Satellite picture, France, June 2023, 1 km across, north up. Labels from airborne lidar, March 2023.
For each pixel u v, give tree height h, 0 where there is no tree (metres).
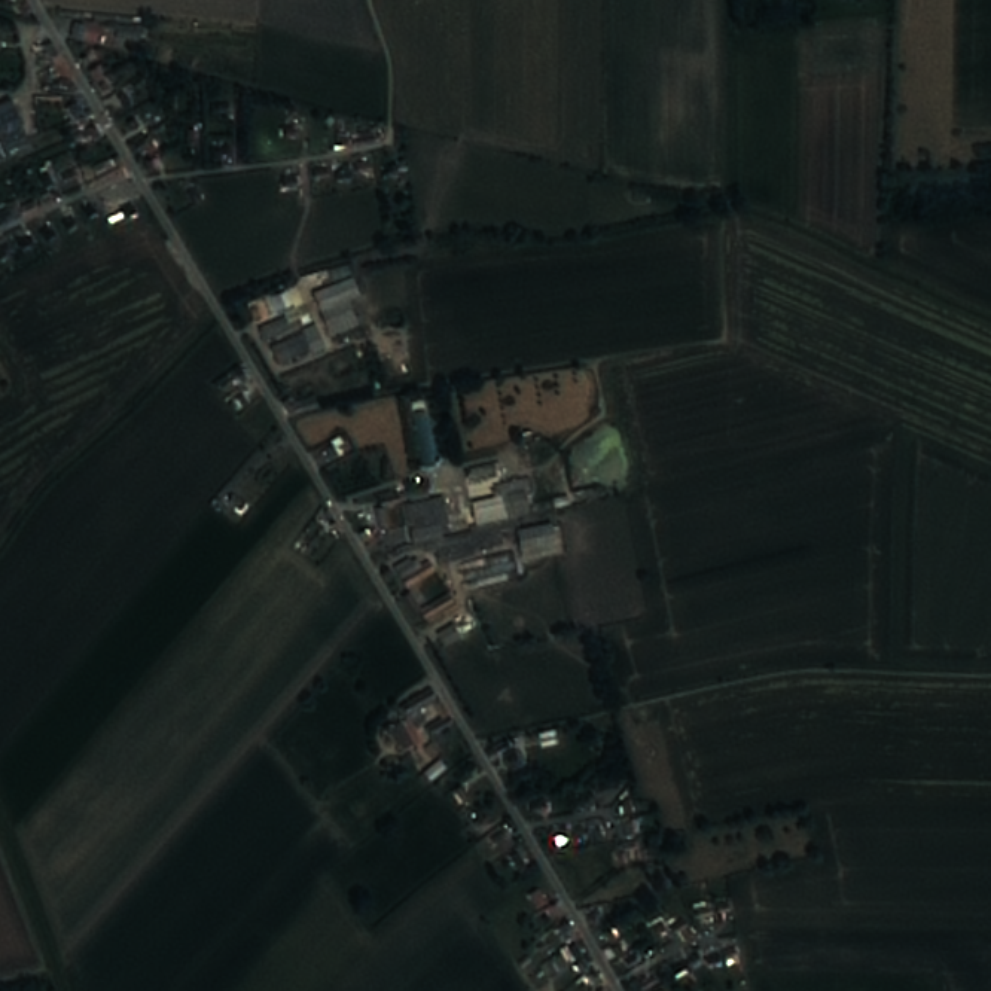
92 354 0
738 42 0
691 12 0
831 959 0
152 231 0
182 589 0
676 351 0
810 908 0
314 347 0
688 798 0
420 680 0
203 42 0
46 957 0
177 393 0
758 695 0
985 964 0
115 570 0
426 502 0
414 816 0
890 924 0
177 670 0
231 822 0
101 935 0
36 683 0
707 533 0
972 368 0
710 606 0
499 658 0
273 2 0
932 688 0
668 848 14
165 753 0
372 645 0
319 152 0
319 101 0
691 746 0
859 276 0
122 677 0
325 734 0
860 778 0
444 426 16
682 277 0
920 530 0
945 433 0
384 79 0
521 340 0
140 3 0
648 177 0
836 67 0
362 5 0
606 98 0
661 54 0
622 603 0
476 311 0
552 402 0
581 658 0
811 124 0
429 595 0
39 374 0
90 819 0
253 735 0
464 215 0
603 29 0
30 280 0
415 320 0
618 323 0
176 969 0
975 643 0
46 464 0
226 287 0
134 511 0
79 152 10
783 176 0
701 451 0
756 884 0
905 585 0
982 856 0
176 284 0
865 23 0
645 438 0
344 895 0
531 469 0
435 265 0
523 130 0
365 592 0
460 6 0
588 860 0
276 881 0
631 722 0
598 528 0
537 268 0
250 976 0
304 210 0
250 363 0
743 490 0
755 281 0
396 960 0
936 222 14
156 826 0
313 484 0
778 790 0
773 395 0
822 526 0
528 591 0
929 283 0
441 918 0
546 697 0
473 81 0
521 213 0
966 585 0
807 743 0
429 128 0
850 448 0
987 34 0
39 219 0
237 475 0
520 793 14
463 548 0
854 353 0
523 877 8
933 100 0
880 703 0
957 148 0
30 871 0
